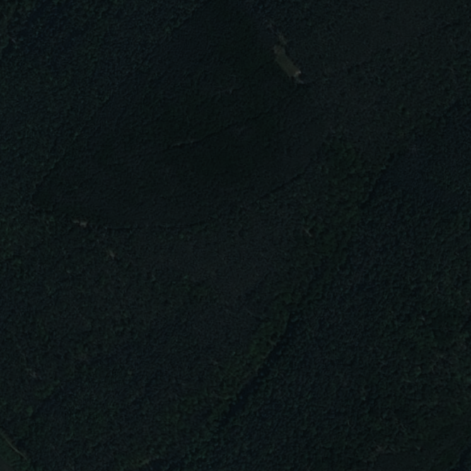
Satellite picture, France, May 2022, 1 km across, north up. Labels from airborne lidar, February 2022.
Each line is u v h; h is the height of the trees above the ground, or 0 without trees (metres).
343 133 22
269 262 19
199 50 17
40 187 17
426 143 23
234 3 12
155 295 23
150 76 15
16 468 18
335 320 26
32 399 25
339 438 27
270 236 21
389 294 28
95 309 25
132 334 26
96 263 22
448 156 22
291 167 18
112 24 26
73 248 20
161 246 16
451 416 28
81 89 25
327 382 27
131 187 13
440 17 22
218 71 14
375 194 21
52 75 26
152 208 14
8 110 27
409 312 26
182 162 17
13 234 22
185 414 35
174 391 21
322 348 27
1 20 31
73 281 21
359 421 29
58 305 23
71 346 23
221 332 21
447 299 21
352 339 26
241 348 25
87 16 23
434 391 27
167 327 24
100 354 29
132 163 14
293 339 32
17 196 21
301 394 27
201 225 12
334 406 24
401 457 12
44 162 25
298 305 30
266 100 17
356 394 26
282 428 26
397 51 19
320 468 27
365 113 19
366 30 21
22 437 27
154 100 10
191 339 21
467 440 14
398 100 21
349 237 29
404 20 20
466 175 22
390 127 25
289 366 30
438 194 20
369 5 18
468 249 24
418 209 21
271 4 26
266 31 20
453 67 24
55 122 26
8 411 27
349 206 34
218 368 24
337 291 30
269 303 25
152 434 37
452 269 25
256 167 15
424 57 23
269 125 13
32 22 33
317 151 20
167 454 35
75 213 14
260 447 27
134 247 18
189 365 20
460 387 24
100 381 23
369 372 24
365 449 24
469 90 27
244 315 21
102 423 22
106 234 17
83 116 23
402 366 20
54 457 24
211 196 16
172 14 24
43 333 10
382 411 28
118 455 25
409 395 25
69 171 15
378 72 20
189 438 22
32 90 27
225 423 31
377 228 29
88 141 14
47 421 23
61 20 20
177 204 12
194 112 12
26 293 21
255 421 30
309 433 27
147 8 24
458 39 21
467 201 20
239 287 19
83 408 24
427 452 15
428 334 27
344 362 21
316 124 18
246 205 20
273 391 32
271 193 20
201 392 25
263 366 10
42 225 19
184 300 22
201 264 19
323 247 30
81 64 26
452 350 25
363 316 25
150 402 23
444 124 25
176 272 20
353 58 16
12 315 22
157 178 13
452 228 24
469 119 22
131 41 23
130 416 22
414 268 24
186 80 12
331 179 23
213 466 32
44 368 22
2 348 23
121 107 13
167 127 11
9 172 24
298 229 18
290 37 24
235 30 13
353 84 21
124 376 23
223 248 21
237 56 11
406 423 25
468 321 26
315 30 20
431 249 25
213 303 20
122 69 23
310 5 25
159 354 23
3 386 21
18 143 26
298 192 20
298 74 0
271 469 28
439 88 24
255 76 12
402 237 25
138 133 11
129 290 23
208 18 13
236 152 13
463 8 21
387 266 25
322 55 22
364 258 26
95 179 10
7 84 28
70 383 26
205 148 14
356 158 26
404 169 25
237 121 11
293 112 15
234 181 13
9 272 21
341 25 21
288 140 14
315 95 16
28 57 26
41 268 23
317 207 23
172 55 17
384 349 26
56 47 10
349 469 24
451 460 14
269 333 8
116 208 16
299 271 28
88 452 24
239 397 19
